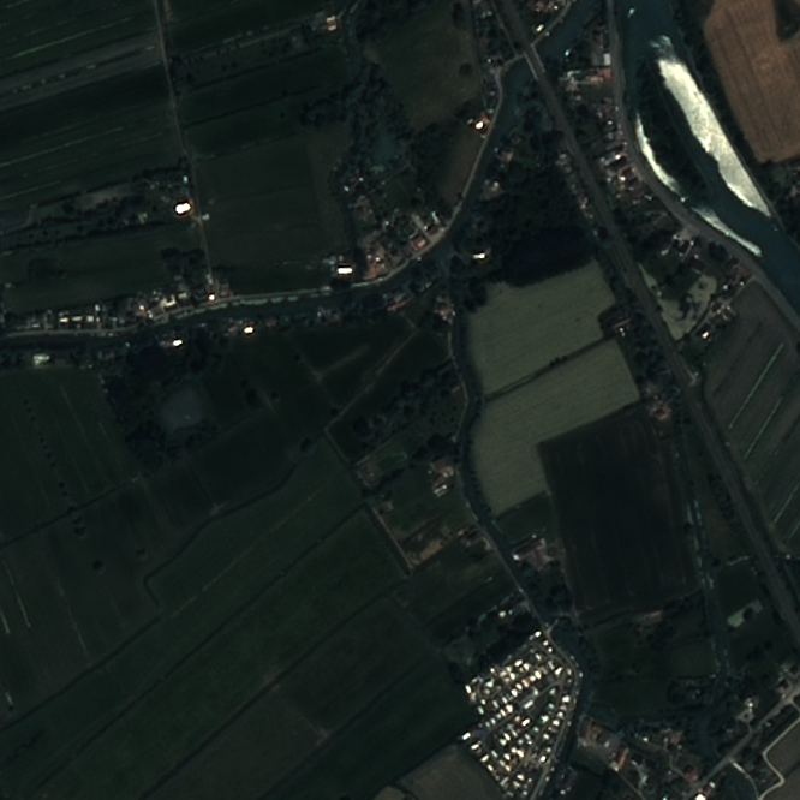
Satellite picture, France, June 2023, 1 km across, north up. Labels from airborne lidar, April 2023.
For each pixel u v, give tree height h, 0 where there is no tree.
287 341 0
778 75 0
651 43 0
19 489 0
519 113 0
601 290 0
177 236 0
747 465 0
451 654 0
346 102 12
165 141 0
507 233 8
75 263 0
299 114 0
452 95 0
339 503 0
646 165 0
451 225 0
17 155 0
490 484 0
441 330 11
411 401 18
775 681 0
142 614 0
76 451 0
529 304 0
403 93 0
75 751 0
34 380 0
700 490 0
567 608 15
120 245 0
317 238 0
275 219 0
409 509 0
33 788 0
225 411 0
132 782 0
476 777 0
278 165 0
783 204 12
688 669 0
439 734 0
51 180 0
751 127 0
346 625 0
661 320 0
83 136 0
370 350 0
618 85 0
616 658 0
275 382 0
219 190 0
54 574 0
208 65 0
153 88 0
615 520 0
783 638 0
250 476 0
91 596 0
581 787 0
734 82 0
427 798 0
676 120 0
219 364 14
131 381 6
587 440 0
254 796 0
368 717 0
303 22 0
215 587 0
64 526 0
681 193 0
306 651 0
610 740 0
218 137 0
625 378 0
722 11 0
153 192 0
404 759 0
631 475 0
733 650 0
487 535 0
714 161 0
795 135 0
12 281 0
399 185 0
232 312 0
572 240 34
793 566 6
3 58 0
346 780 0
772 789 0
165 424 0
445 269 0
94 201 0
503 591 0
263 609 0
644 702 0
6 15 0
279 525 0
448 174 0
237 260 0
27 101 0
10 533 0
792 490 0
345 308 9
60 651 0
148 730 0
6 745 0
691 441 0
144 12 0
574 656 0
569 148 0
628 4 0
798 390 0
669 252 0
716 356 0
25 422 0
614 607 0
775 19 0
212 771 0
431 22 0
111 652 0
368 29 6
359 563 0
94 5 0
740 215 0
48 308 0
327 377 0
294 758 0
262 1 0
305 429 0
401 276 0
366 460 0
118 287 0
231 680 0
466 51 0
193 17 0
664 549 0
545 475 0
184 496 0
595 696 0
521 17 0
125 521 0
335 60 0
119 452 0
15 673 0
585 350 0
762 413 0
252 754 0
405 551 0
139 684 0
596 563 0
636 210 0
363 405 0
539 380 0
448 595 0
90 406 0
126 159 0
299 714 0
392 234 12
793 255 0
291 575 0
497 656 19
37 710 0
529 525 0
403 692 0
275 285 0
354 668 0
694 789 0
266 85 0
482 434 0
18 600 0
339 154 0
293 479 0
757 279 0
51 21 0
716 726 6
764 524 0
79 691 0
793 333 0
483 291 14
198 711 0
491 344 0
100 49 0
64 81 0
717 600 0
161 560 0
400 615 0
